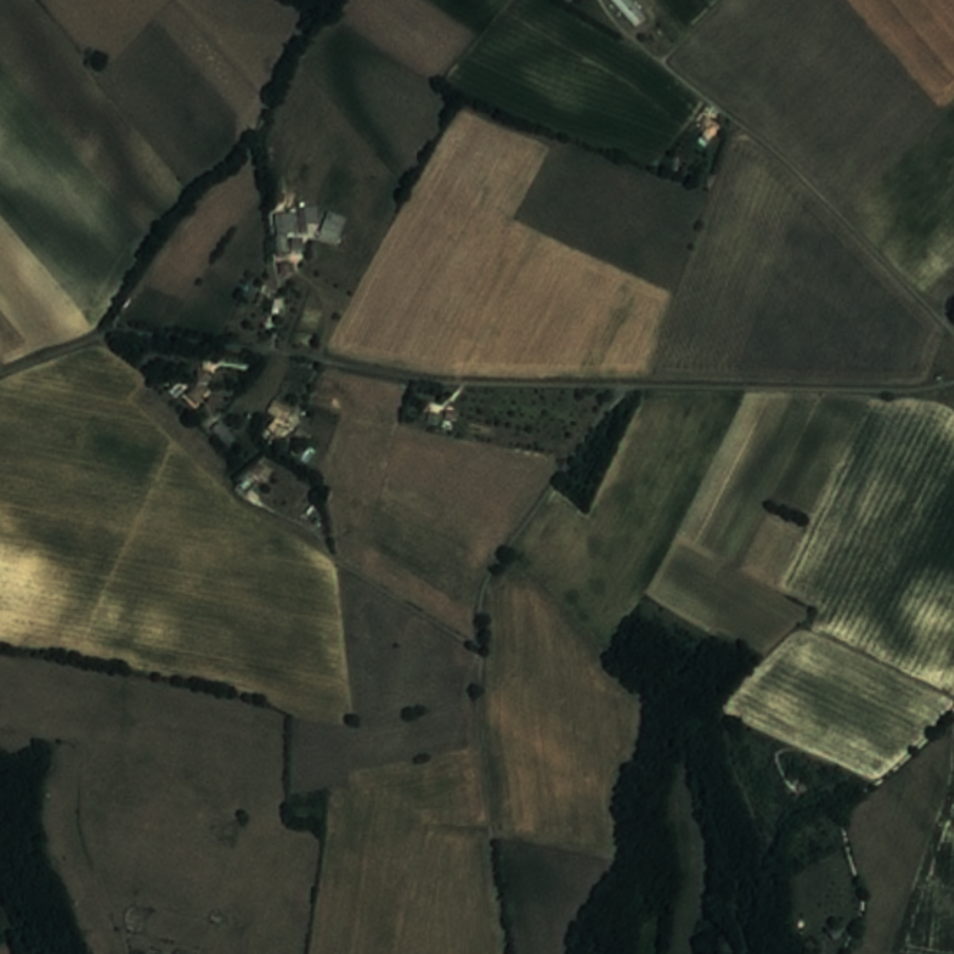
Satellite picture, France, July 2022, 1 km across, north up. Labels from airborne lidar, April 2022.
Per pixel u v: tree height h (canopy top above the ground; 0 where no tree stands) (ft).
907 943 0
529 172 0
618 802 45
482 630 31
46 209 0
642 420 0
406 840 0
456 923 0
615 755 0
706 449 0
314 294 0
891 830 0
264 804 0
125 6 0
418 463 0
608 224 0
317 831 35
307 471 33
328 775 0
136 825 0
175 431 0
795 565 0
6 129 0
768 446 0
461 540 0
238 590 0
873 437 0
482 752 0
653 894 44
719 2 0
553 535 0
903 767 0
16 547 0
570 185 0
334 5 51
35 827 38
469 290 0
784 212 0
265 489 21
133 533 0
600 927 72
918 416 0
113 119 0
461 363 0
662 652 47
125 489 0
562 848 0
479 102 37
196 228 0
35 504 0
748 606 0
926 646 0
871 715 0
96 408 0
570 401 0
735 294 0
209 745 0
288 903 0
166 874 0
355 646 0
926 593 0
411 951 0
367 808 0
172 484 0
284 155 0
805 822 37
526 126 37
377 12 0
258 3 0
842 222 0
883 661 0
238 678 0
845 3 0
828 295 0
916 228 0
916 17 0
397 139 0
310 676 0
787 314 0
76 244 0
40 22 0
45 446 0
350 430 0
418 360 0
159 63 0
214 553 0
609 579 0
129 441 0
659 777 81
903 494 0
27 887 52
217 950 0
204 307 0
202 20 0
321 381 0
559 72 0
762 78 0
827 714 0
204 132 0
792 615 0
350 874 0
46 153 0
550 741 0
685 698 80
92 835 0
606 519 0
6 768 43
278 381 0
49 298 0
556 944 0
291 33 0
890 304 0
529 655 0
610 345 0
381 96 0
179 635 0
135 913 0
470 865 0
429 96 0
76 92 0
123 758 0
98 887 0
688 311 0
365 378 0
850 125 0
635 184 0
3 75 0
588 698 0
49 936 49
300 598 0
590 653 0
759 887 64
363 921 0
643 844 78
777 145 0
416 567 0
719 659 53
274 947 0
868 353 0
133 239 0
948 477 0
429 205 0
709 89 0
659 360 0
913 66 0
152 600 0
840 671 0
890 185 0
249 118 0
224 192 0
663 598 0
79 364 0
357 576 0
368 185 0
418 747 0
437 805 0
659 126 0
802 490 0
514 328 0
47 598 0
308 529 0
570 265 0
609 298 0
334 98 0
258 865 0
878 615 0
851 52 0
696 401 0
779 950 66
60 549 0
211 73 0
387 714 0
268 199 38
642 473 0
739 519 0
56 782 0
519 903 0
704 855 0
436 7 0
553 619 0
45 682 0
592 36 0
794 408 0
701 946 56
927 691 0
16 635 0
